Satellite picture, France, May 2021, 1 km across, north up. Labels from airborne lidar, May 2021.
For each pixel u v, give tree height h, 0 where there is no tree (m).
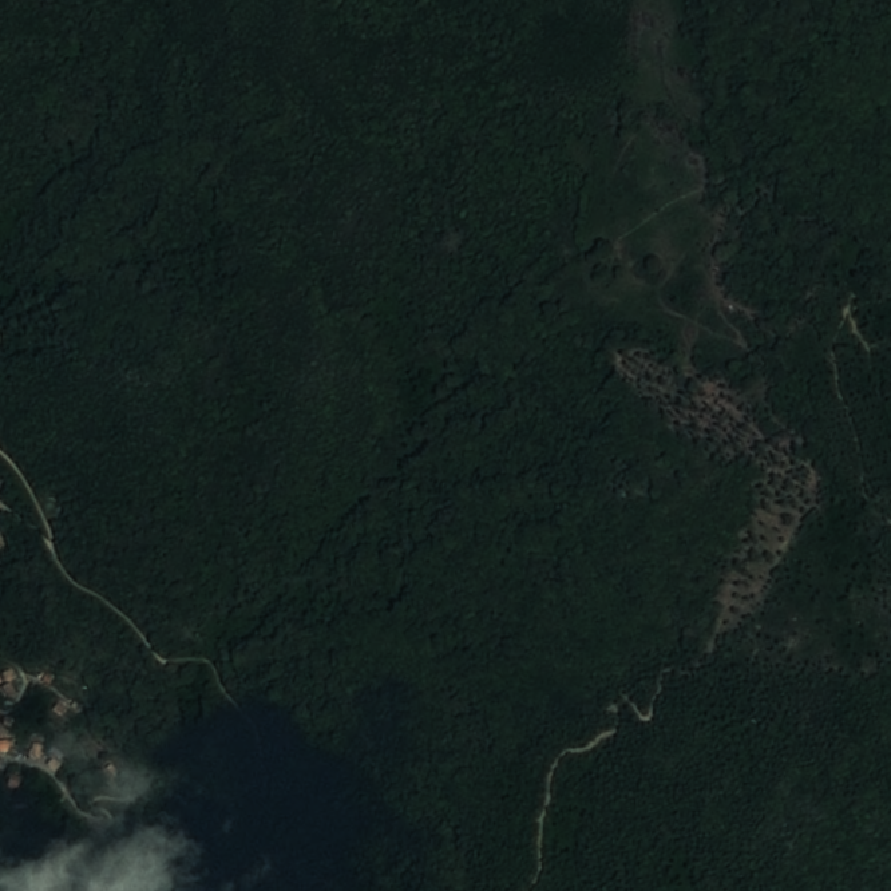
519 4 10
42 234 9
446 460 9
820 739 8
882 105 13
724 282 6
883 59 13
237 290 6
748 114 8
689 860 12
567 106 7
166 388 7
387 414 14
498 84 9
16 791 10
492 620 11
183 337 5
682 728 5
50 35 9
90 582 8
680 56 0
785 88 8
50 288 17
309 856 13
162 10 8
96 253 15
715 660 10
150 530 8
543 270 7
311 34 6
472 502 15
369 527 14
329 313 7
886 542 8
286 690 14
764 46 16
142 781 17
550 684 14
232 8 6
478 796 13
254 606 15
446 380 13
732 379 6
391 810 11
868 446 10
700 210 0
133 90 9
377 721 8
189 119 9
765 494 16
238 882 9
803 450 16
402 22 6
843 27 9
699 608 9
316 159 8
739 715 6
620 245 0
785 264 11
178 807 14
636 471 10
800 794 7
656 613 11
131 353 6
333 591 12
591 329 7
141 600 9
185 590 9
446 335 8
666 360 11
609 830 8
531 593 14
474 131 8
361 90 6
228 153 12
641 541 11
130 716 11
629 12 8
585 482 10
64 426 7
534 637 12
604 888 10
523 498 10
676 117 8
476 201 8
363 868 10
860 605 12
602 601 11
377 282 8
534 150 8
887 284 16
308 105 8
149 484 6
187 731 18
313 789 10
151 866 13
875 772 7
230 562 9
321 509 13
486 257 8
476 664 12
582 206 10
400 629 15
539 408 8
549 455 7
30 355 8
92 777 12
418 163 10
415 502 11
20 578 12
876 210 10
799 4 17
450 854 14
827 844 12
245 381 8
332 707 13
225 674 10
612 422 11
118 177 12
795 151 11
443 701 12
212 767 13
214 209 8
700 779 10
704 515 11
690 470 13
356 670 13
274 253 7
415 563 14
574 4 7
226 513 7
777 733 6
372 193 7
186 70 9
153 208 6
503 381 14
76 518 8
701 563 13
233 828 14
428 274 7
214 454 6
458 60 9
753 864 12
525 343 16
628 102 14
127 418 7
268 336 5
